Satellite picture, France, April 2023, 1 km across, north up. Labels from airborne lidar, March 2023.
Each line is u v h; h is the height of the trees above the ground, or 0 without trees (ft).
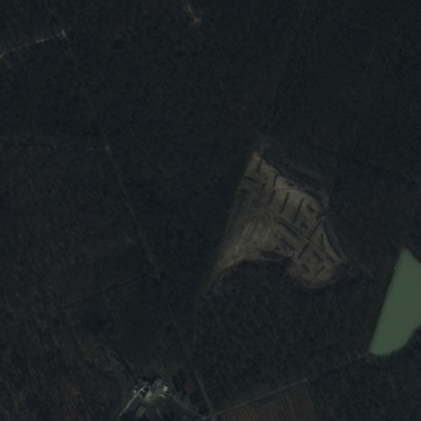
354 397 90
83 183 93
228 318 87
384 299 0
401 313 0
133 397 0
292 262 29
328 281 0
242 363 76
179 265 87
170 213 88
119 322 47
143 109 88
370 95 111
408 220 86
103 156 86
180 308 95
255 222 0
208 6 66
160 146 74
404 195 114
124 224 96
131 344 62
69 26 70
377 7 118
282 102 92
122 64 70
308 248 0
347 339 94
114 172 51
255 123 77
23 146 40
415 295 0
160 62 89
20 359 82
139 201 90
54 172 93
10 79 82
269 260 0
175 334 32
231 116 79
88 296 33
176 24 80
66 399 83
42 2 88
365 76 123
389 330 0
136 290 49
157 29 81
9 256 86
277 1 72
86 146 0
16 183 62
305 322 80
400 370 86
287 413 0
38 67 89
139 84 82
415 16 127
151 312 66
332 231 0
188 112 81
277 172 0
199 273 91
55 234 89
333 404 73
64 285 37
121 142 73
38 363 79
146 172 77
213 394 63
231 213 0
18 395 78
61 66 94
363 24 122
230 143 89
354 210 92
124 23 88
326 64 118
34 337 87
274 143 0
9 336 78
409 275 0
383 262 92
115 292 43
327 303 91
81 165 88
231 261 0
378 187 100
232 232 0
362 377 61
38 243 99
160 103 77
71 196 84
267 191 0
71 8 78
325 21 121
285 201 0
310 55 113
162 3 73
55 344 94
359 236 73
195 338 73
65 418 78
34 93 84
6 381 84
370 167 55
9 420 81
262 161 0
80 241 70
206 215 85
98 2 94
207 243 71
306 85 74
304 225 0
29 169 77
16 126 69
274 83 73
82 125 75
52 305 87
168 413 0
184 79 79
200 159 88
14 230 87
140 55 75
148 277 53
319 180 0
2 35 80
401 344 0
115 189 86
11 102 79
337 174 81
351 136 102
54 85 91
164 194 95
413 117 107
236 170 71
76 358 89
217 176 59
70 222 76
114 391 78
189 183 84
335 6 127
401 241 77
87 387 86
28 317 80
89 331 42
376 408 67
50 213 87
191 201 86
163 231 79
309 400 0
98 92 81
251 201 0
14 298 92
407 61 111
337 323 94
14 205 88
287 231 0
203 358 53
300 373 81
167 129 76
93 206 77
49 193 97
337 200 66
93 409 90
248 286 89
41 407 87
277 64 86
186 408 0
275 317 92
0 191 75
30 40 85
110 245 85
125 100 84
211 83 79
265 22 81
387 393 70
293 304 67
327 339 89
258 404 0
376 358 0
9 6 82
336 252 0
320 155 80
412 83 122
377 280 63
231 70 73
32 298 92
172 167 94
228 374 66
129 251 44
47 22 89
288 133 95
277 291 58
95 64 71
